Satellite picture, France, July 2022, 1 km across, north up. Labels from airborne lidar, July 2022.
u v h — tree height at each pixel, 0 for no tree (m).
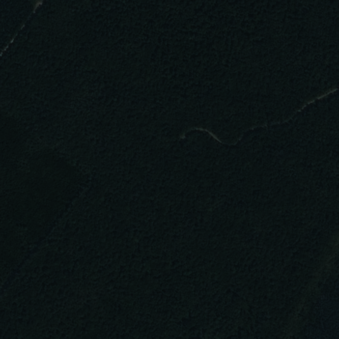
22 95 22
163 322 16
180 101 17
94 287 21
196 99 21
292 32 22
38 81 21
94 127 24
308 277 18
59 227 21
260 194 20
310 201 18
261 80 22
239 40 24
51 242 22
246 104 22
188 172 21
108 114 18
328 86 17
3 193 8
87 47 24
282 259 17
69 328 22
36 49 18
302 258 20
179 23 17
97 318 20
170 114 18
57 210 9
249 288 22
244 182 21
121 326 20
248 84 22
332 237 16
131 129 23
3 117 9
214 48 20
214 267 18
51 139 16
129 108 19
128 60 18
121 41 17
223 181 17
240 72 19
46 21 13
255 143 24
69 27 17
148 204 17
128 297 22
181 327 18
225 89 23
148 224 21
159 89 22
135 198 18
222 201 20
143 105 16
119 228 27
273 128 19
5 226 6
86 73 18
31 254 23
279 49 20
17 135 9
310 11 19
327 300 29
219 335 21
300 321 26
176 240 19
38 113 23
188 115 18
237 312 17
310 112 22
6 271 7
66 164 10
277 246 21
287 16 22
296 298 19
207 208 21
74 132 17
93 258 20
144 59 21
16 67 20
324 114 24
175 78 22
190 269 21
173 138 20
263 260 18
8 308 20
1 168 10
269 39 23
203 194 22
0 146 8
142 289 18
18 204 9
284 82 21
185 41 19
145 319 21
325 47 26
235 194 19
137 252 20
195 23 16
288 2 23
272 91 20
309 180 18
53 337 18
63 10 17
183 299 17
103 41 18
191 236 20
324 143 23
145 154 18
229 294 17
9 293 19
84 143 19
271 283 12
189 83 16
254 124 21
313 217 24
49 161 11
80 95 17
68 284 19
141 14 13
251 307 21
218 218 21
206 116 23
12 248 7
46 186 9
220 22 23
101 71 17
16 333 20
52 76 20
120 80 17
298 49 22
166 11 19
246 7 21
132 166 23
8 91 19
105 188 24
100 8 22
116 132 19
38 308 21
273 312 21
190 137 18
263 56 22
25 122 9
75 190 8
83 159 18
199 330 22
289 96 19
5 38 16
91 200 20
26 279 24
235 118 20
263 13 21
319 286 22
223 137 17
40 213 8
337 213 18
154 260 19
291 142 19
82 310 24
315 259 19
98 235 21
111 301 12
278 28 21
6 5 19
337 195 22
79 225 20
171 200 24
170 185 21
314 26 20
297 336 22
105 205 20
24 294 26
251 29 17
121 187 19
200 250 20
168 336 17
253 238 22
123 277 20
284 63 20
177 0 19
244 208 23
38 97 25
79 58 18
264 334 16
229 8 16
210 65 20
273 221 21
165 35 22
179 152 24
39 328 17
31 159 6
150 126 18
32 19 20
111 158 18
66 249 22
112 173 17
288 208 17
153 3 20
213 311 20
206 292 19
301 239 21
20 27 5
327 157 20
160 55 11
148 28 19
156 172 24
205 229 19
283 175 20
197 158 20
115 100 21
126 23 16
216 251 18
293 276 18
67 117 18
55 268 19
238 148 19
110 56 16
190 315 12
